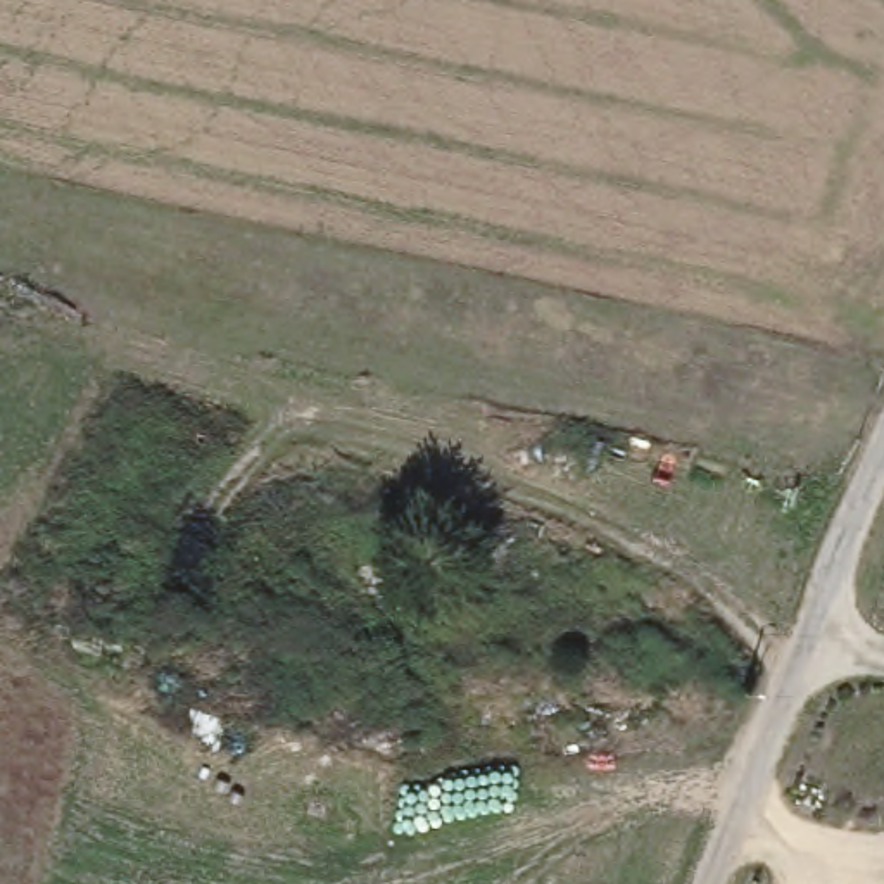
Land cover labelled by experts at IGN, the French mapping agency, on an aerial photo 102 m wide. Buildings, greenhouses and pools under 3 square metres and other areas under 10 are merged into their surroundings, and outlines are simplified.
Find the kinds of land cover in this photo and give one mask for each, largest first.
<instances>
[{"label":"herbaceous vegetation","instance_id":"1","mask_svg":"<svg viewBox=\"0 0 884 884\"><path fill-rule=\"evenodd\" d=\"M0 266L31 273L38 283H48L76 297V307L35 297L24 311H17L21 325L45 328L48 335L86 338V352L104 356L111 369H121L114 394L100 397L93 411L83 418V445L62 459L55 480L48 483L38 504V515L28 521V528L14 542L10 563L0 570V618L14 615L24 625V632H35L28 646L31 666L55 680L62 691H69L79 704L76 711H69L62 777L55 780V798H41L38 805V818H45L48 825L55 818L62 822L66 787H76L79 798L97 794L104 801L128 805L155 822L180 818L204 839L218 836L228 843L262 846L287 843L297 829L287 811V801L300 787L321 780L328 767L359 770L387 791L390 777L404 780L397 801V832L407 836L477 815H501L504 825L490 832L497 856L535 843L553 846L580 832H604L618 825L625 811L649 805H656L660 811L708 815L718 805L722 791V770L715 763L725 760L736 736L749 722L756 687L763 680V660L774 649H780L784 635H791L798 622L825 532L860 466L874 421L884 411V307L856 304L836 294L832 311L836 321L846 328V342L829 345L822 338L767 325L725 321L704 311L656 307L490 266L335 238L325 231H304L269 221H249L207 207L121 193L38 169L0 166ZM435 487H449L470 497L477 515H487L497 504L504 518L497 528L501 542L494 546V604L421 618L376 594V525L380 518L387 521L401 504L407 508V497L414 490L432 494ZM553 646H563V649L577 653V656L584 660V673H580V677H559V673H553V666H549V663H553ZM856 608L863 622L884 635V497L877 504L856 566ZM777 784L787 808L798 818L853 832H884V677H846L811 694L780 749Z\"/></svg>","mask_w":884,"mask_h":884},{"label":"agricultural land","instance_id":"2","mask_svg":"<svg viewBox=\"0 0 884 884\"><path fill-rule=\"evenodd\" d=\"M0 166L38 169L121 193L207 207L249 221H269L304 231H325L335 238L490 266L656 307L704 311L725 321L767 325L822 338L829 345L846 342V328L836 321L832 311L836 294L856 304L884 307V0H0ZM35 297L76 307V297L48 283H38L31 273L0 266V570L10 563L14 542L28 528V521L38 515V504L48 483L55 480L62 459L83 445V418L93 411L100 397L114 394L121 369H111L104 356L86 352V338L48 335L45 328L21 325L17 311H24ZM35 632H24V625L14 615L0 618V884H698L694 867L711 832L708 815L660 811L656 805H649L625 811L618 825L604 832H580L553 846L535 843L497 856L490 832L504 825L501 815H477L407 836L397 832V801L404 780L390 777L387 791L359 770L328 767L321 780L300 787L287 801V811L297 829L287 843L262 846L228 843L218 836L204 839L180 818L155 822L128 805L104 801L97 794L79 798L76 787H66L62 822L55 818L48 825L45 818H38V805L41 798H55V780L62 777L69 711H76L79 704L69 691H62L55 680L31 666L28 646Z\"/></svg>","mask_w":884,"mask_h":884},{"label":"impervious surface","instance_id":"3","mask_svg":"<svg viewBox=\"0 0 884 884\"><path fill-rule=\"evenodd\" d=\"M884 497V411L874 421L860 466L825 532L798 622L791 635H784L780 649H774L763 660V680L756 687L749 722L736 736L725 760L715 763L722 770V791L718 805L708 815L711 832L694 867L698 884H732L742 867H753V860L742 853L749 811L763 805V794L777 784L780 749L811 694L846 677H884V635L863 622L856 608V566L877 504Z\"/></svg>","mask_w":884,"mask_h":884},{"label":"deciduous trees","instance_id":"4","mask_svg":"<svg viewBox=\"0 0 884 884\"><path fill-rule=\"evenodd\" d=\"M504 518L497 504L487 515H477L470 497L449 487H435L432 494L414 490L407 497V508L401 504L387 521L380 518L376 525V594L421 618L494 604V546L501 542L497 528Z\"/></svg>","mask_w":884,"mask_h":884},{"label":"pervious surface","instance_id":"5","mask_svg":"<svg viewBox=\"0 0 884 884\"><path fill-rule=\"evenodd\" d=\"M742 853L753 860V867H742L732 884H884V832H853L798 818L787 808L777 784L763 794V805L749 811Z\"/></svg>","mask_w":884,"mask_h":884},{"label":"brushwood","instance_id":"6","mask_svg":"<svg viewBox=\"0 0 884 884\"><path fill-rule=\"evenodd\" d=\"M549 666H553V673H559V677H580V673H584V660L577 656V653L563 649V646H553V663H549Z\"/></svg>","mask_w":884,"mask_h":884}]
</instances>
